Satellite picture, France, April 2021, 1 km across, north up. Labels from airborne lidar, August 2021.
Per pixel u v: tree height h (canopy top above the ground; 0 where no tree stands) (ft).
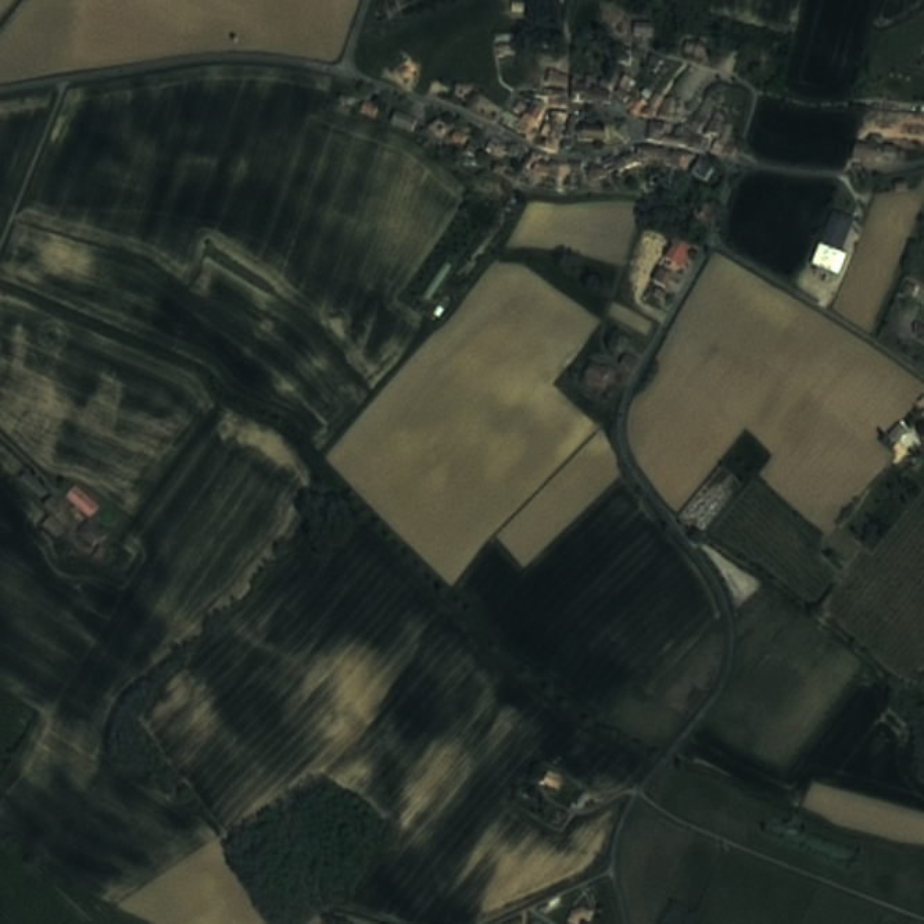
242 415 0
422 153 0
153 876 0
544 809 23
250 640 0
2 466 0
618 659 0
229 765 0
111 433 0
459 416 0
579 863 0
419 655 0
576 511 0
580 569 0
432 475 0
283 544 46
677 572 0
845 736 0
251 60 0
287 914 63
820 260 0
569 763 0
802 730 0
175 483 0
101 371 0
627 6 36
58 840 0
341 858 64
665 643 0
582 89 0
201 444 0
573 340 0
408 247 0
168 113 0
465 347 0
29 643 0
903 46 0
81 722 0
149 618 0
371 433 0
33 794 0
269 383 0
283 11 0
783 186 0
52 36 0
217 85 0
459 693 0
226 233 0
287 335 0
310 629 0
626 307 0
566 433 0
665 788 0
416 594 0
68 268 0
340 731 0
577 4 52
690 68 19
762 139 0
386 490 0
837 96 0
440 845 0
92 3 0
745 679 0
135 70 0
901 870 0
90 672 0
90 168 0
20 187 0
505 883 0
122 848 0
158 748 36
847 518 19
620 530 0
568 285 0
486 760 0
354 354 0
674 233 70
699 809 0
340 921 27
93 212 0
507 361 0
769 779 0
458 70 0
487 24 0
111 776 0
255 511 0
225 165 0
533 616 0
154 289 0
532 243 0
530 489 0
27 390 0
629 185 30
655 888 0
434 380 0
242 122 0
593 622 0
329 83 0
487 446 0
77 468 0
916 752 32
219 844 0
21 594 0
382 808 0
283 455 0
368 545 0
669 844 0
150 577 0
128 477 0
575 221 0
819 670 0
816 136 0
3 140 0
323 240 0
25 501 0
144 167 0
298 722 0
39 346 0
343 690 0
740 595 0
